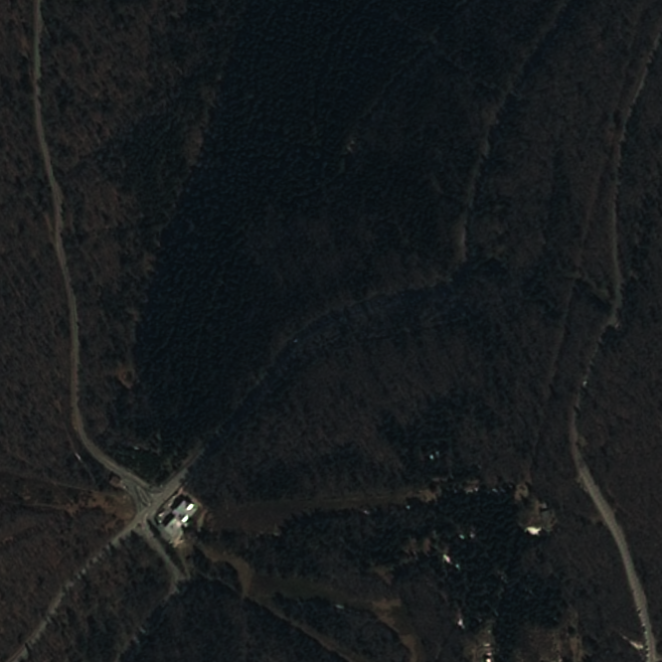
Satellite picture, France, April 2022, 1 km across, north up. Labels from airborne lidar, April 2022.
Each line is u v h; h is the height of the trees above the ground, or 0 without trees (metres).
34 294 30
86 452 9
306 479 16
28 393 24
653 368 11
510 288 19
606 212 12
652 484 13
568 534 14
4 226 28
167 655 16
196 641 16
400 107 23
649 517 12
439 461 24
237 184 28
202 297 20
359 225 18
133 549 19
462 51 16
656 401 13
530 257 17
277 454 18
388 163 22
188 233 27
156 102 24
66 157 27
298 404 14
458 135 17
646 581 19
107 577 17
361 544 11
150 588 17
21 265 15
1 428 20
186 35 19
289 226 18
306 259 19
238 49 24
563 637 0
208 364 20
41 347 26
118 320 17
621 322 11
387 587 16
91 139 30
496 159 15
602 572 14
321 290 18
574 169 17
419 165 21
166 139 15
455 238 18
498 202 12
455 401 13
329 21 25
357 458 16
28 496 0
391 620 0
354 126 21
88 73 22
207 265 23
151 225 26
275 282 20
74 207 24
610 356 13
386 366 17
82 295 18
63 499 0
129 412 23
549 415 9
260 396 18
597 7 13
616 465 16
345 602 0
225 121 17
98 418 18
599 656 7
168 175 23
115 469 0
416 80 21
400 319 21
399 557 11
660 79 12
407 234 22
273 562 16
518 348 15
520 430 18
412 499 0
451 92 19
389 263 18
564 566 17
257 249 17
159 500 0
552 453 14
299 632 11
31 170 23
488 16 19
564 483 16
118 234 17
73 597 24
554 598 19
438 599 15
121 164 22
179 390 22
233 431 21
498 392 12
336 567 19
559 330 18
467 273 16
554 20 15
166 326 28
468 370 15
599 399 13
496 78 18
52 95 13
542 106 16
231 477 18
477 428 15
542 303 14
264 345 19
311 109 25
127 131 22
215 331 21
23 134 17
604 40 12
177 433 16
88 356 16
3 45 21
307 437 14
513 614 17
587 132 15
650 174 15
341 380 11
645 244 17
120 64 28
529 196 15
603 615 13
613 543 17
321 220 21
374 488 15
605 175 11
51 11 20
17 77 13
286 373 16
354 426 16
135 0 19
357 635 15
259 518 0
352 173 16
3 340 19
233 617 15
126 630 18
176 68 17
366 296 16
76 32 18
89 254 15
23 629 22
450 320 17
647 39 12
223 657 17
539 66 21
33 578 23
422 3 23
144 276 19
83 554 14
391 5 17
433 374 14
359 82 31
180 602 16
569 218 15
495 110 16
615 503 12
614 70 14
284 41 22
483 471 15
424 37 21
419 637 8
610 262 18
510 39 17
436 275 15
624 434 14
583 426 11
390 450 16
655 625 10
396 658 13
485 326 15
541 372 14
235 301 20
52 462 18
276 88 19
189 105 18
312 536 26
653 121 12
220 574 12
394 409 14
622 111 12
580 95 14
